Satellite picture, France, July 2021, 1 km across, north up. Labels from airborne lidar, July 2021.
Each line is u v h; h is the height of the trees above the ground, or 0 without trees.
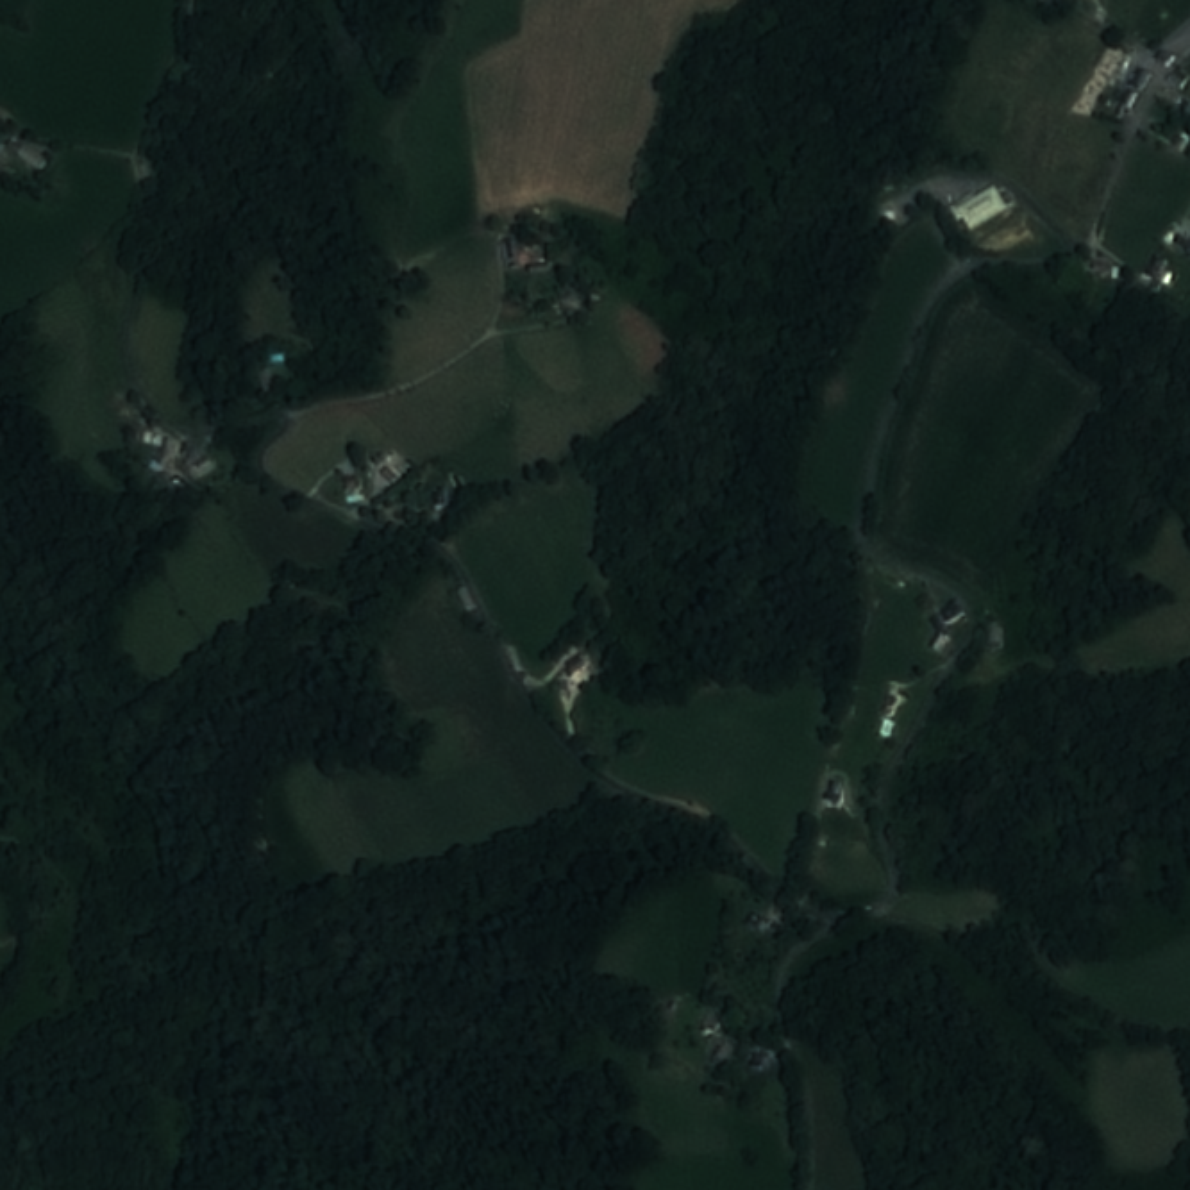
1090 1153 15
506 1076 27
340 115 14
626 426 15
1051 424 0
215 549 0
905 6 18
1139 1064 0
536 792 0
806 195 13
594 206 0
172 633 0
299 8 17
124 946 13
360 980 27
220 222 25
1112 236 0
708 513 22
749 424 32
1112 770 22
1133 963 0
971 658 11
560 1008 26
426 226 0
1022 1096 14
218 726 26
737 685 16
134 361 0
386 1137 25
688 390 17
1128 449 21
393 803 0
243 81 21
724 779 0
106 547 17
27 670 19
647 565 22
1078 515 19
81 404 0
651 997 21
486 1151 20
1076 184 0
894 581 0
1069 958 20
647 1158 22
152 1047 23
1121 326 17
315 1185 21
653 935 0
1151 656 0
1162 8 0
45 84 0
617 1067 18
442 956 22
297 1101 31
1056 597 18
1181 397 20
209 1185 28
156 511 15
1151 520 14
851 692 13
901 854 8
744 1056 7
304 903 28
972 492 0
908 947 9
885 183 14
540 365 0
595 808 19
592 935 25
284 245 20
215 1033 17
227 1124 31
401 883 15
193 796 23
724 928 9
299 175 28
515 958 26
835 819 0
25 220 0
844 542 17
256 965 12
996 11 0
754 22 15
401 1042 32
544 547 0
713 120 17
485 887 21
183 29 14
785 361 22
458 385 0
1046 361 0
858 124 21
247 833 18
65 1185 10
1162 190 0
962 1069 30
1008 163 0
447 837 0
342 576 9
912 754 13
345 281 30
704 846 10
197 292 21
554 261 10
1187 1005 0
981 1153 18
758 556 16
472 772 0
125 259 16
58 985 19
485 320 0
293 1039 17
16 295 0
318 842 0
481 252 0
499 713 0
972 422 0
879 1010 28
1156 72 0
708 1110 0
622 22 0
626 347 0
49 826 6
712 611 25
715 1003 10
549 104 0
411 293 12
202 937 25
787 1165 0
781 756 0
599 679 10
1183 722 21
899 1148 10
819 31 19
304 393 6
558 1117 30
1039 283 0
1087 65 0
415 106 0
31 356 15
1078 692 19
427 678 0
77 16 0
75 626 17
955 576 0
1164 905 7
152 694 18
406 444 0
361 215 8
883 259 7
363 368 11
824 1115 0
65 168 0
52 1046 17
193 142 29
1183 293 0
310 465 0
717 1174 0
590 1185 20
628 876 33
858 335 13
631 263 8
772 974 7
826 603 21
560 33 0
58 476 17
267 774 15
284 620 18
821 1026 15
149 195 19
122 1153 27
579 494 0
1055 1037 10
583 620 8
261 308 0
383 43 11
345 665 21
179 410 0
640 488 18
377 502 10
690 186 17
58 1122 17
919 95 19
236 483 8
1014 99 0
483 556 0
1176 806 17
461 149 0
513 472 0
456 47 0
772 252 13
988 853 12
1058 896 28
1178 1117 0
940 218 12
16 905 7
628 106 0
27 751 8
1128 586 21
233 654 28
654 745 0
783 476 34
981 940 24
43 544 16
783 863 0
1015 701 17
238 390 10
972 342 0
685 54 8
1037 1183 14
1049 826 11
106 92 0
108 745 18
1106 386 21
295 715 22
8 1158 12
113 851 8
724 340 17
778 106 13
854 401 0
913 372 7
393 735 22
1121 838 10
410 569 27
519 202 0
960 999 30
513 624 0
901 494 0
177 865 26
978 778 21
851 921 16
